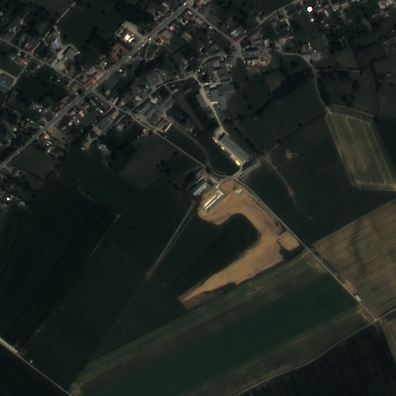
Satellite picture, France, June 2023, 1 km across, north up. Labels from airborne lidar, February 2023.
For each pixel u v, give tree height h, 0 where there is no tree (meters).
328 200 0
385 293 0
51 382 0
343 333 0
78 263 0
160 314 0
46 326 0
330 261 0
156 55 0
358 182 0
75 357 0
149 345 0
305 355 0
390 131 0
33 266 0
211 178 0
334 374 0
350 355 0
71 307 0
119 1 10
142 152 0
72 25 0
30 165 0
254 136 0
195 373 0
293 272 0
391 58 0
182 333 0
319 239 0
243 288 0
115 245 0
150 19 9
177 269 0
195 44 0
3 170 0
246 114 0
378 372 0
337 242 0
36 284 0
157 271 0
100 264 0
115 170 0
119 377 0
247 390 0
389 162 0
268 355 0
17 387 0
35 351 0
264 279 0
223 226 0
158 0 6
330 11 0
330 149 0
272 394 0
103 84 0
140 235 0
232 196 0
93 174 0
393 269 0
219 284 0
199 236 0
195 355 0
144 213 0
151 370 0
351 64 0
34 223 0
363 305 0
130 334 0
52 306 0
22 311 0
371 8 0
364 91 0
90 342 0
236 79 0
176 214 0
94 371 0
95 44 8
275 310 0
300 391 0
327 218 0
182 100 0
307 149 0
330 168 0
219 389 0
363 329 0
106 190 0
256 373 0
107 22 0
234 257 0
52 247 0
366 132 0
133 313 0
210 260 0
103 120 0
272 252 0
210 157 0
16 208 0
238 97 0
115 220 0
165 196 0
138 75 12
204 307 0
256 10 0
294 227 0
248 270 0
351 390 0
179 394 0
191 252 0
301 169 0
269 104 6
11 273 0
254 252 0
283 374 0
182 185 0
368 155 0
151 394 0
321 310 0
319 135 0
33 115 0
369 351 0
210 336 0
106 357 0
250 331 0
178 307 0
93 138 0
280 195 0
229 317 0
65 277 0
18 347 0
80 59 0
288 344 0
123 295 0
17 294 0
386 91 0
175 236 0
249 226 0
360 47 16
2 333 0
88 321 0
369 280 0
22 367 0
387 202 0
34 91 0
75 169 0
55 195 0
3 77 0
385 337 0
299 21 0
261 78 0
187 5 0
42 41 8
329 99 27
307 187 0
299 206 0
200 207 0
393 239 0
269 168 0
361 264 0
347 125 0
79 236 0
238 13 0
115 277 0
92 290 0
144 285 0
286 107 0
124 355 0
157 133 0
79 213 0
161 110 0
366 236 0
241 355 0
